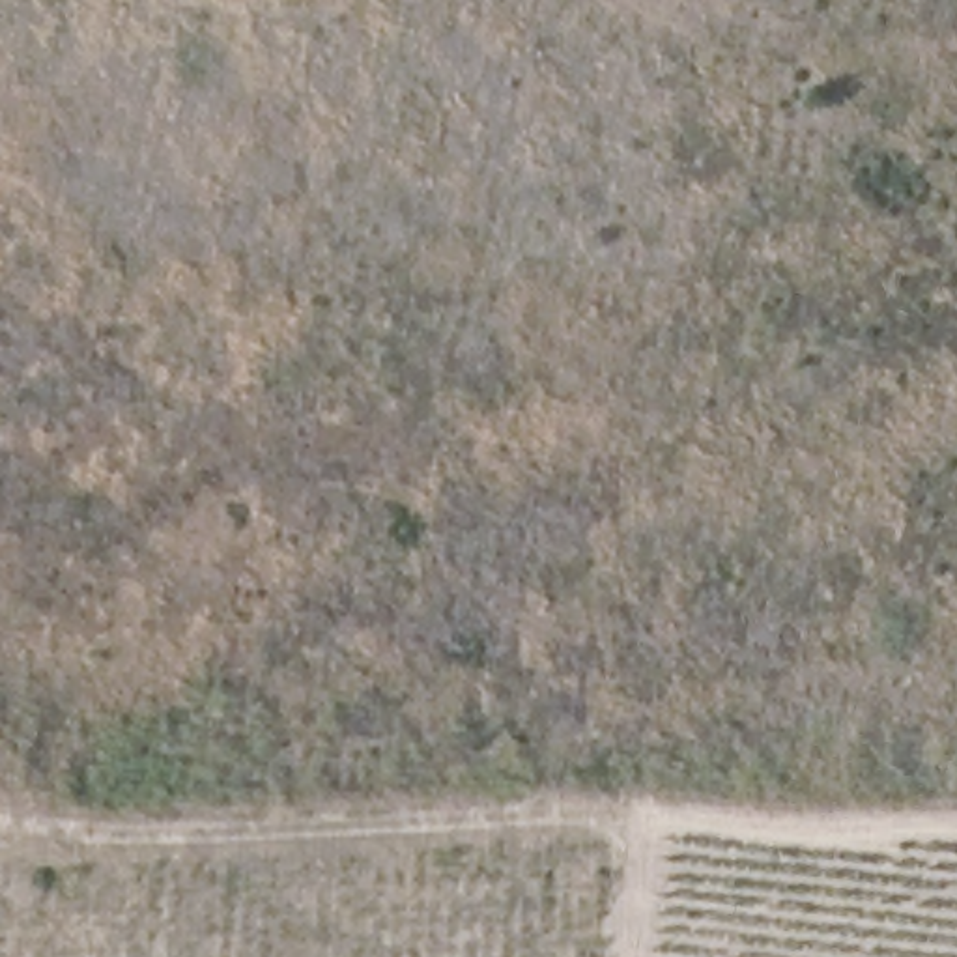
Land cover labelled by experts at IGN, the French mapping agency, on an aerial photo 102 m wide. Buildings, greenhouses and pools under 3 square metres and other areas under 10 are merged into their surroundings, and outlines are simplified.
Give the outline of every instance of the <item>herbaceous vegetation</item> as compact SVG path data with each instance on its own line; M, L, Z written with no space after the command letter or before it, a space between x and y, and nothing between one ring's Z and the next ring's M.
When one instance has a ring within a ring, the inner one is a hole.
M654 796L658 804L725 804L755 807L766 815L957 811L957 0L0 0L0 811L26 819L79 819L79 811L90 807L105 815L138 811L142 819L213 819L213 811L221 807L224 819L250 822L280 800L299 815L318 815L336 800L348 815L374 819L404 804L437 807L437 800L445 796L471 796L475 804L512 804L535 789Z

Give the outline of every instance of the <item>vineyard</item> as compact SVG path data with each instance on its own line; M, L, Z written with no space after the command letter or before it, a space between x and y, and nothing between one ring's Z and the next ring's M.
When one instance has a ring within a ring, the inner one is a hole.
M254 845L82 845L67 834L0 830L0 957L613 957L606 950L606 916L613 886L624 878L624 871L609 867L609 841L594 837L591 830L583 837L557 834L557 841L550 841L546 849L520 849L516 830L501 830L490 845L452 845L449 834L385 834L292 841L277 856L258 856Z
M864 852L766 845L718 834L669 834L673 886L662 893L658 908L658 957L957 957L957 841L908 837L897 852Z

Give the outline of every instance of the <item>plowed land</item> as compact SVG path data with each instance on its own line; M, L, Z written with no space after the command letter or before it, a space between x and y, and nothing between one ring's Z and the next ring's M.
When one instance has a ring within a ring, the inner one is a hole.
M67 834L82 845L254 845L258 856L277 856L292 841L385 834L449 834L452 845L490 845L501 830L516 830L520 849L546 849L550 841L557 841L557 834L583 837L591 830L594 837L609 841L609 867L624 871L624 878L613 886L606 916L606 950L613 957L658 957L658 908L662 893L673 886L669 834L718 834L766 845L864 852L897 852L908 837L957 841L957 811L766 815L755 807L725 804L658 804L654 796L535 789L512 804L475 804L471 796L445 796L437 800L437 807L404 804L374 819L348 815L336 800L318 815L299 815L280 800L250 822L224 819L221 807L213 811L213 819L142 819L138 811L105 815L90 807L79 811L79 819L26 819L0 811L0 830Z

